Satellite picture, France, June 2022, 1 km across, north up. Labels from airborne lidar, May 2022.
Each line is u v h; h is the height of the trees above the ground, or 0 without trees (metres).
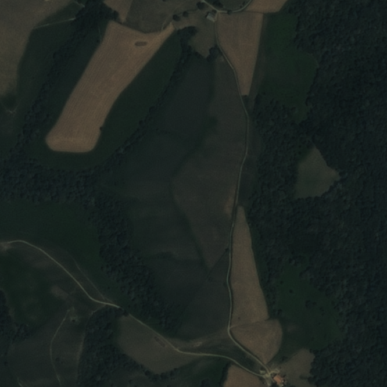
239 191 0
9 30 0
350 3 22
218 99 0
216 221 0
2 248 0
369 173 20
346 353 19
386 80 21
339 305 12
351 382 11
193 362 0
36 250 0
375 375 17
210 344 0
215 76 0
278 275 18
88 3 12
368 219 31
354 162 24
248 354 0
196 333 0
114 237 18
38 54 0
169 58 0
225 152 0
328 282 19
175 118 0
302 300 0
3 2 0
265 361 0
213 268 0
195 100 0
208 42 0
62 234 0
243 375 0
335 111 24
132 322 0
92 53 0
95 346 13
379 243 13
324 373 21
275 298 13
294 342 0
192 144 0
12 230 0
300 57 0
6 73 0
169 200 0
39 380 0
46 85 17
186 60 14
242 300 0
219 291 0
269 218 10
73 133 0
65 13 0
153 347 0
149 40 0
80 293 0
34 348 0
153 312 11
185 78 0
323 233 10
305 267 0
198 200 0
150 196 0
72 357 0
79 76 0
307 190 0
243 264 0
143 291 10
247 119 0
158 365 0
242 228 0
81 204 10
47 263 0
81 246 0
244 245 0
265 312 0
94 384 10
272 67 0
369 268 24
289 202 12
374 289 28
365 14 23
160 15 0
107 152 0
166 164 0
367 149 19
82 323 0
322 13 18
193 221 0
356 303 22
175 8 0
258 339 0
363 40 18
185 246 0
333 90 26
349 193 17
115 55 0
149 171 0
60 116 0
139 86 0
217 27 0
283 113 21
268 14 0
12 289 0
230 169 0
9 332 7
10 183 19
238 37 0
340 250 21
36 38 0
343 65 19
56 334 0
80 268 0
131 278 13
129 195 0
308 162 0
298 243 17
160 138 0
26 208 0
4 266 0
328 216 20
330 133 19
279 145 11
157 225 0
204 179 0
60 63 18
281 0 0
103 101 0
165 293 0
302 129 23
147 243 0
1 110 0
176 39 0
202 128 0
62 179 19
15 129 0
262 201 12
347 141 25
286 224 21
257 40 0
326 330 0
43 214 0
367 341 19
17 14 0
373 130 16
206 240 0
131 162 0
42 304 0
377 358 19
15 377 0
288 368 0
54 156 0
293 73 0
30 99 0
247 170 0
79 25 11
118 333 0
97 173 11
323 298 0
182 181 0
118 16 12
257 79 0
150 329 0
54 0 0
